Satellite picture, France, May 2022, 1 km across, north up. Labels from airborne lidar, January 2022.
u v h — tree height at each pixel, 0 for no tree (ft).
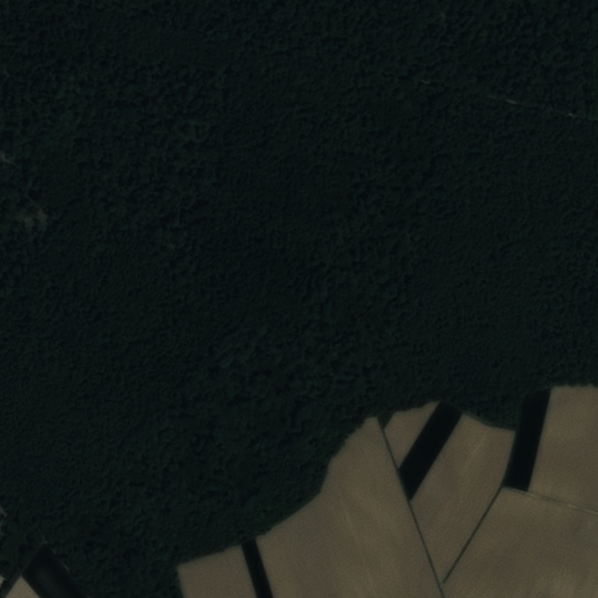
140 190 85
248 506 78
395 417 0
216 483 84
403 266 77
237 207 41
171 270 93
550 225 64
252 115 65
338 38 26
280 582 0
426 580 0
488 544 0
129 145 66
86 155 62
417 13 83
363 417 41
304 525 0
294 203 60
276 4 73
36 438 63
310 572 0
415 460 0
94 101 84
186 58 84
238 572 0
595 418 0
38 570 0
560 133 73
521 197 75
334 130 69
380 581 0
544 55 87
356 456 0
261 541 0
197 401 82
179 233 70
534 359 70
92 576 77
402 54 70
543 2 72
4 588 43
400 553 0
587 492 0
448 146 67
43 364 73
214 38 82
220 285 37
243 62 88
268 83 78
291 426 97
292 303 65
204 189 82
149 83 76
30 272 65
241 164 61
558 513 0
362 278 81
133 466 85
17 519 72
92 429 62
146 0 83
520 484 0
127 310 79
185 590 0
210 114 84
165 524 76
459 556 0
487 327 76
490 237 57
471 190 66
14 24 40
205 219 72
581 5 92
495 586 0
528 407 0
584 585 0
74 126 59
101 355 52
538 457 0
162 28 77
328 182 51
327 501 0
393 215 45
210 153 78
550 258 62
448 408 0
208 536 73
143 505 83
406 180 81
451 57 60
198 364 92
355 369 90
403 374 72
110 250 67
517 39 71
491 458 0
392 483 0
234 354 79
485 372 79
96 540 81
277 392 79
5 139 79
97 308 75
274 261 70
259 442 84
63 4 67
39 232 69
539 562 0
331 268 75
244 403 84
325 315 85
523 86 88
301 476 79
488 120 68
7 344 69
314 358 49
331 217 79
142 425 85
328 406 77
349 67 76
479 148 61
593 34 81
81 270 84
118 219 74
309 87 77
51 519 65
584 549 0
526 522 0
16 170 74
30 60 68
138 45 86
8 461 59
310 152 68
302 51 76
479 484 0
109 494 75
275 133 80
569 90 92
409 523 0
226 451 80
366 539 0
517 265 75
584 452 0
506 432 0
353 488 0
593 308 72
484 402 59
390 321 76
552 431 0
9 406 59
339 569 0
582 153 72
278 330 68
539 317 71
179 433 91
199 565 0
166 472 73
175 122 42
